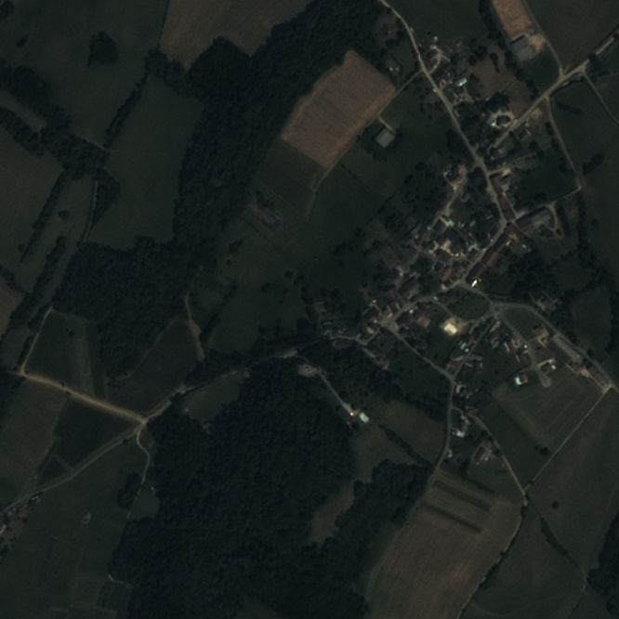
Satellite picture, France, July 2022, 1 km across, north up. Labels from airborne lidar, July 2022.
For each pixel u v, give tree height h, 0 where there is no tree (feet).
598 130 0
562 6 0
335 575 79
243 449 88
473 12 0
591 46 0
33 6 0
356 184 0
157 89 0
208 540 31
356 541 83
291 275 52
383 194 0
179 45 0
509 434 0
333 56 53
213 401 0
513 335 0
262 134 53
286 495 75
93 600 0
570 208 0
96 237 0
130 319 45
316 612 73
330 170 0
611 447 0
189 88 63
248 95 88
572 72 0
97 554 0
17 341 0
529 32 0
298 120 0
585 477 0
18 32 0
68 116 24
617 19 0
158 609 89
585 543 0
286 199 0
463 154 39
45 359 0
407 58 0
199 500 72
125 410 0
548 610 0
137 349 51
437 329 0
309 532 73
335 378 49
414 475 42
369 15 41
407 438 0
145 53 0
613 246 0
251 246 0
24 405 0
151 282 46
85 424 0
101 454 0
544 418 0
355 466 85
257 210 0
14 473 0
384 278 23
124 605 0
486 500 0
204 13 0
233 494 76
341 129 0
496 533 0
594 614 0
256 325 0
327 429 84
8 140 0
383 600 0
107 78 0
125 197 0
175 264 79
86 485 0
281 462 80
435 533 0
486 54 27
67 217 30
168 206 0
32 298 49
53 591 0
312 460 65
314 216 0
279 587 82
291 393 91
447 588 0
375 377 78
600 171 0
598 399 0
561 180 0
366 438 0
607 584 67
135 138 0
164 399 0
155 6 0
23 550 0
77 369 0
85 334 0
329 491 59
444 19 0
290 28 65
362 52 43
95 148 46
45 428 0
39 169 0
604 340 0
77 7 0
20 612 0
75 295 57
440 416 51
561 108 34
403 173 0
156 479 68
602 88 0
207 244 67
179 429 67
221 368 58
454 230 21
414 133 0
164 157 0
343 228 0
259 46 0
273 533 71
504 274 0
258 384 85
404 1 0
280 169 0
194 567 77
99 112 0
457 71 34
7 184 0
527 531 0
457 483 0
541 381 0
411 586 0
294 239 0
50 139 32
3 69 29
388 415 0
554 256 0
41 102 59
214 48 33
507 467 0
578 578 0
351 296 0
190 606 70
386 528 0
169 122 0
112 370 37
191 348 0
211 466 27
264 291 47
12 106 0
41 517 0
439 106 27
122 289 90
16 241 0
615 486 0
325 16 55
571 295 60
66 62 0
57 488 0
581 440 0
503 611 0
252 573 20
